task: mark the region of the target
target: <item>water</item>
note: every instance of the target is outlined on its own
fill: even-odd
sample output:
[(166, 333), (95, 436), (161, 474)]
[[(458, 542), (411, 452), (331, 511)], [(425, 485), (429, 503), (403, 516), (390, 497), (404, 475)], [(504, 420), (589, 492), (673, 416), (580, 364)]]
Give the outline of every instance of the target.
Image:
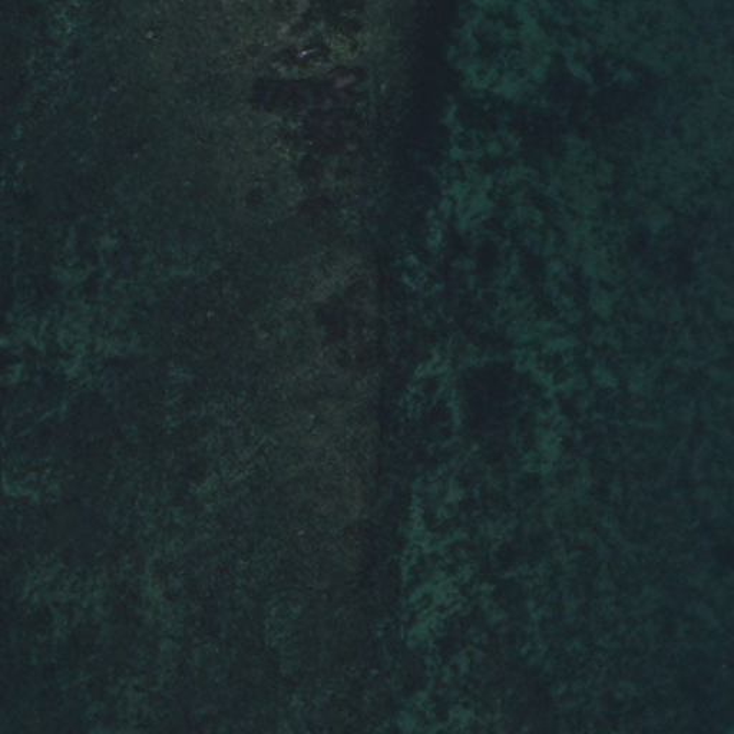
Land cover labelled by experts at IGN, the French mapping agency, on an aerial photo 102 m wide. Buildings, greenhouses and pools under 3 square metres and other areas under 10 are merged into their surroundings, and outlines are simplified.
[(734, 734), (734, 0), (0, 0), (0, 734)]

